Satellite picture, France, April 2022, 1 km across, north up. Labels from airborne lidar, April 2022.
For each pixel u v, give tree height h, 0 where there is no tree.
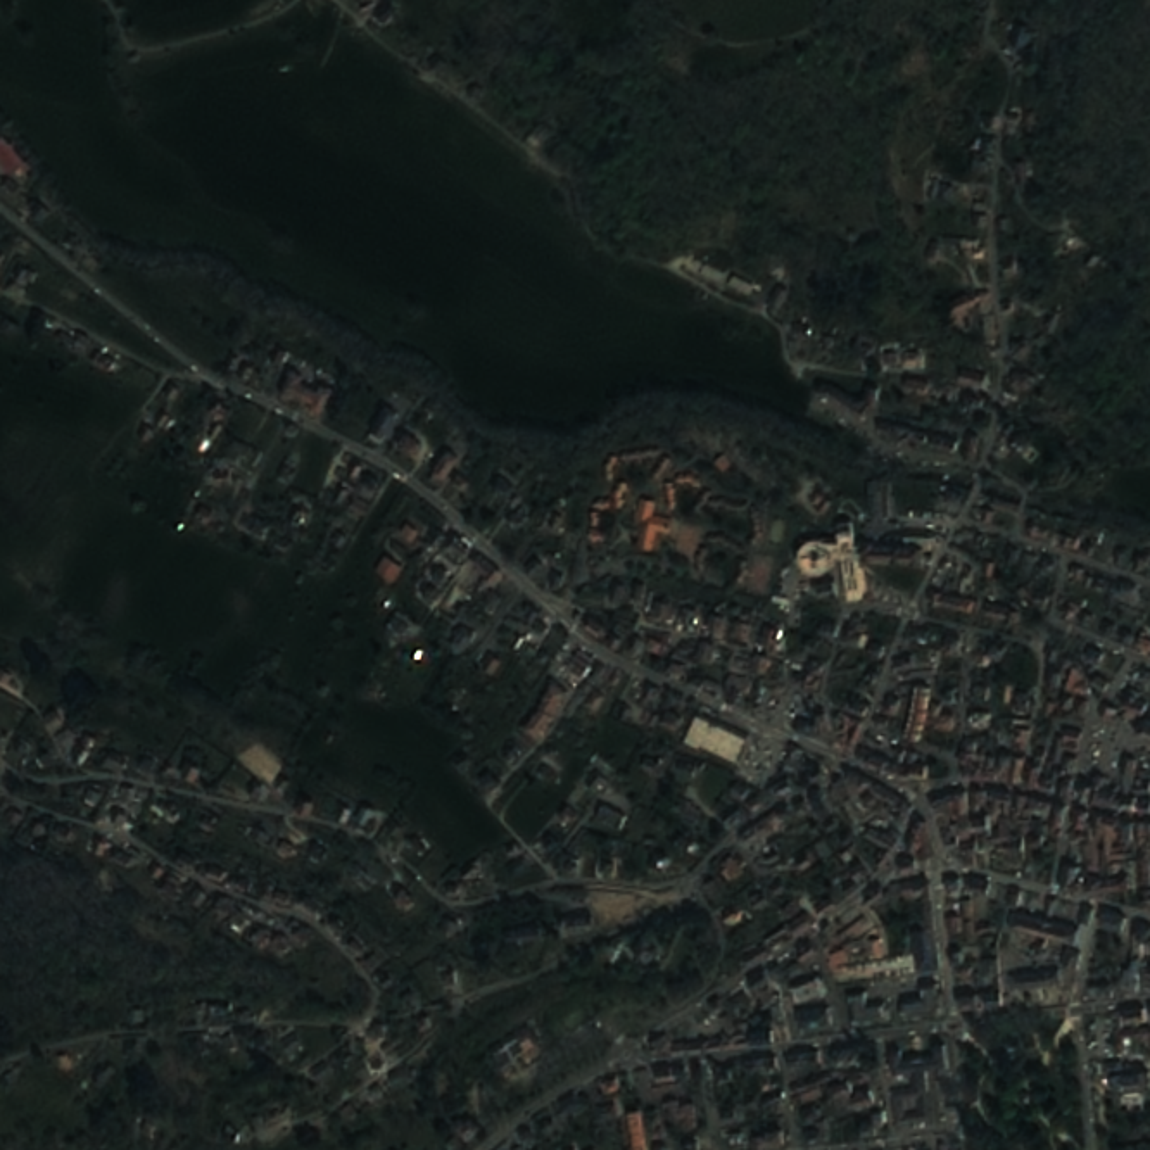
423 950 0
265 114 0
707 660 0
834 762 0
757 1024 7
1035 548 0
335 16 0
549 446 23
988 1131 22
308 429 0
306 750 0
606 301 0
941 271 0
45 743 6
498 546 7
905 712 0
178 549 0
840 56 17
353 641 15
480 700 11
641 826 0
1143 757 0
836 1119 0
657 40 18
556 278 0
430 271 0
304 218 0
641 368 0
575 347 0
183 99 0
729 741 0
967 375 0
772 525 0
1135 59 18
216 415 0
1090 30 18
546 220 0
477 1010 15
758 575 0
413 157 0
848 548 0
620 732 0
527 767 0
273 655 7
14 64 0
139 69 0
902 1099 0
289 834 0
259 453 8
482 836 0
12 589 0
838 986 0
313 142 0
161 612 0
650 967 10
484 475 7
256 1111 9
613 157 23
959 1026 0
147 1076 16
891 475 21
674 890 0
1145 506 0
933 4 15
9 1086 9
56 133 0
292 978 23
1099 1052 0
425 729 0
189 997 12
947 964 0
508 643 7
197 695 24
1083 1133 16
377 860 9
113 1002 11
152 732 0
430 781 0
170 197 0
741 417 25
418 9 0
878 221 8
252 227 0
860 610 0
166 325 0
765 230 17
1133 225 18
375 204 0
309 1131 15
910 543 0
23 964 23
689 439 14
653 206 21
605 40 0
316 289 0
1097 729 0
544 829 0
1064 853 0
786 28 0
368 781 0
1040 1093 19
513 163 0
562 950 0
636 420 24
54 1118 0
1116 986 9
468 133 0
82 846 0
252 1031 9
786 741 0
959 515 0
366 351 20
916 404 0
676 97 10
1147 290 19
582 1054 19
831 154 15
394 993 9
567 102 19
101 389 0
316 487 0
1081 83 18
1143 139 12
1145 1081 0
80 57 0
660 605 0
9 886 14
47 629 0
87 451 0
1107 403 24
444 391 21
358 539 0
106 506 0
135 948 20
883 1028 0
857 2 14
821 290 26
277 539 8
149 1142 13
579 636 0
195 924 6
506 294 0
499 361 0
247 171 0
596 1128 6
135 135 0
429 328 0
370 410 0
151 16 0
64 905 18
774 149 14
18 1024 17
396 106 0
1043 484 7
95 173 0
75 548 0
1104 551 0
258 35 0
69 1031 14
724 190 10
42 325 10
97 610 0
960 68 9
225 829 0
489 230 0
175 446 10
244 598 0
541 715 0
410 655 8
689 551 0
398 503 0
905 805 0
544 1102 25
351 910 9
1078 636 0
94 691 29
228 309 0
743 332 9
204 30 0
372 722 0
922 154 0
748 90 13
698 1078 13
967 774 0
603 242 15
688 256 0
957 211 0
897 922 14
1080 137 20
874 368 16
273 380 0
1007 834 0
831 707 0
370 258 0
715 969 12
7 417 0
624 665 0
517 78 21
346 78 0
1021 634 0
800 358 7
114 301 0
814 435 21
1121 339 22
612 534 14
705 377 0
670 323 0
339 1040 7
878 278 29
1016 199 0
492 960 22
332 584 0
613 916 0
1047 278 17
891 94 26
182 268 18
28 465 0
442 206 0
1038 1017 18
